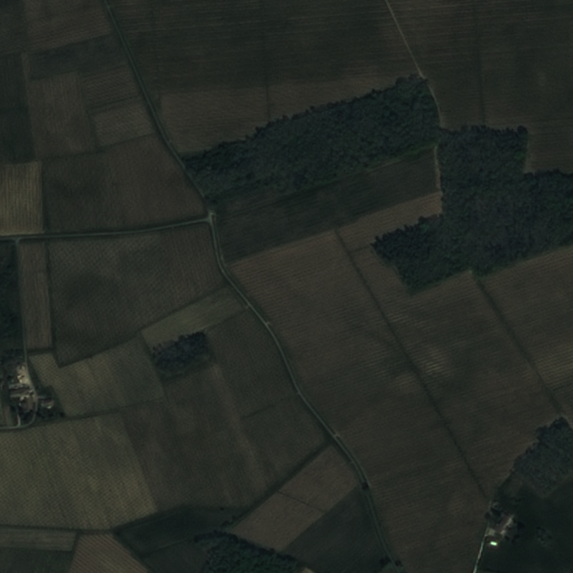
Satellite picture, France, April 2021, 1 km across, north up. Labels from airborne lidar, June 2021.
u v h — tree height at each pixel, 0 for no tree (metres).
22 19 0
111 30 0
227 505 0
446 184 18
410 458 0
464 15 0
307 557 0
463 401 0
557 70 0
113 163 0
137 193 0
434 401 0
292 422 0
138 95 0
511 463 0
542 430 10
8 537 0
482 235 17
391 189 0
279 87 0
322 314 0
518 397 0
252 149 7
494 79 0
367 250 0
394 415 0
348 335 0
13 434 0
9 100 0
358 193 0
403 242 15
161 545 0
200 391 0
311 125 14
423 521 0
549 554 0
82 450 0
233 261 0
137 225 0
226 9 0
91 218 0
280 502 0
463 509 0
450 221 19
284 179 16
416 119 17
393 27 0
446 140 15
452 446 0
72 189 0
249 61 0
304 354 0
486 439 0
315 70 0
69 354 0
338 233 0
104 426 0
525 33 0
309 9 0
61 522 0
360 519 0
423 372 0
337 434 0
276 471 0
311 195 0
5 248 0
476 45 0
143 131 0
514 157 12
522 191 17
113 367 0
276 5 0
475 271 14
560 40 0
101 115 0
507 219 18
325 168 17
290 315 0
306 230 0
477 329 0
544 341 0
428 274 11
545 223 18
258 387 0
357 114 17
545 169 0
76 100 0
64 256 0
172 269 0
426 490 0
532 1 0
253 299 0
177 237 0
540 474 21
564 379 0
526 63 0
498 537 8
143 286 0
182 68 0
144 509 0
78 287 0
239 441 0
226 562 21
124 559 0
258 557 21
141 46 0
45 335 0
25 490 0
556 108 0
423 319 0
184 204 0
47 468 0
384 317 0
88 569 0
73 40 0
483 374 0
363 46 0
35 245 0
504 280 0
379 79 0
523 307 0
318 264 0
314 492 0
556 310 0
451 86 0
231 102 0
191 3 0
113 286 0
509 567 0
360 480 0
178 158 0
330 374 0
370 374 0
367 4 0
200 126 0
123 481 0
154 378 0
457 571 0
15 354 12
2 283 9
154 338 0
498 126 0
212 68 0
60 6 0
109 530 0
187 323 0
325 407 0
